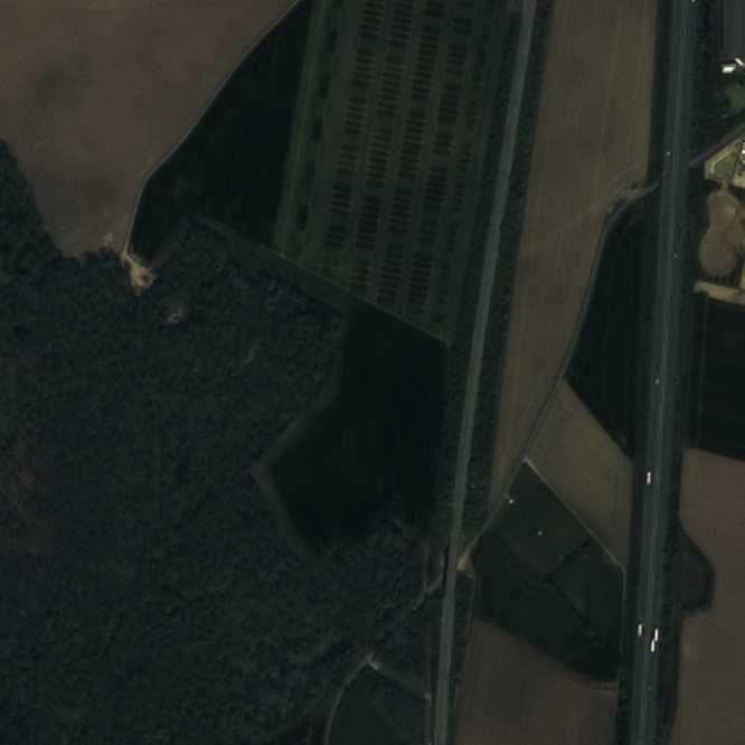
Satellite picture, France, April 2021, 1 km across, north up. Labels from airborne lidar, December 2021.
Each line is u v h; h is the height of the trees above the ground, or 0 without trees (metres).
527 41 0
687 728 0
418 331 0
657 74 0
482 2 0
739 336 0
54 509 26
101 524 23
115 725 23
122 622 27
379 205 0
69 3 0
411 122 0
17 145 0
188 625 22
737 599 0
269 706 25
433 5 0
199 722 18
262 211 0
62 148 0
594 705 0
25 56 0
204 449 25
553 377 0
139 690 23
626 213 0
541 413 0
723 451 0
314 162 0
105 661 25
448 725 0
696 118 5
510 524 0
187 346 28
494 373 12
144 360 25
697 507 0
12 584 24
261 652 19
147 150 0
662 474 0
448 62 0
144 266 0
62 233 0
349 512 0
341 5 0
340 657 20
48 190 0
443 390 0
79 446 29
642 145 0
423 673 14
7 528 28
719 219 0
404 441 0
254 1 0
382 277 0
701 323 0
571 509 0
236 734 26
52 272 27
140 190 0
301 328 25
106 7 0
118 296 26
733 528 0
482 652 0
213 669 13
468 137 0
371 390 0
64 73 0
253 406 24
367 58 0
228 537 17
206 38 0
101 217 0
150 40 0
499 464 0
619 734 7
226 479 12
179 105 0
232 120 0
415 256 0
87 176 0
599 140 0
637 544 0
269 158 0
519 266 0
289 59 0
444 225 0
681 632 0
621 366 0
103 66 0
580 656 0
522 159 6
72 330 27
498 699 0
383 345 0
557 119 0
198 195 0
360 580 22
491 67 0
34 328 22
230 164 0
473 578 0
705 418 0
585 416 0
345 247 0
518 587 0
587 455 0
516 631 0
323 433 0
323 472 0
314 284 0
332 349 7
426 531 0
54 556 25
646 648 0
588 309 0
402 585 8
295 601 22
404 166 0
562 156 0
